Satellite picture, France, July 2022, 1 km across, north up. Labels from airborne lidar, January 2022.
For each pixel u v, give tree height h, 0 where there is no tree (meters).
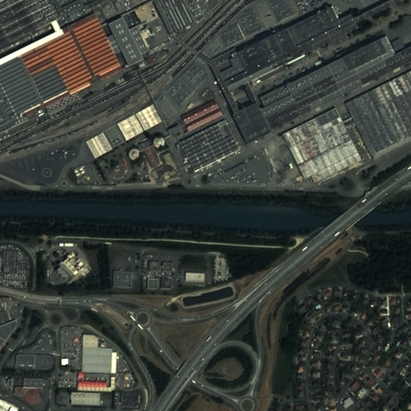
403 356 0
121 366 0
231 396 0
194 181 0
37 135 0
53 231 16
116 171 0
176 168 0
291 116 0
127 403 0
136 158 10
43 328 0
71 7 0
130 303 0
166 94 0
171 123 0
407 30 0
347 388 0
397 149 0
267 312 0
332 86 0
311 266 0
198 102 0
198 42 0
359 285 13
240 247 0
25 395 0
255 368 0
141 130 0
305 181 0
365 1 0
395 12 0
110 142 0
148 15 0
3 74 0
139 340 0
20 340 0
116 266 0
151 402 0
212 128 0
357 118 0
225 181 0
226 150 0
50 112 0
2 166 0
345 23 0
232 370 0
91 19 0
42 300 0
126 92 0
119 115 0
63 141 0
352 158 0
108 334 15
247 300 0
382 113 0
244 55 0
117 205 0
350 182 0
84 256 0
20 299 0
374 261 22
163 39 0
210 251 0
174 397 0
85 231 19
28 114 0
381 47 0
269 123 0
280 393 0
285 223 0
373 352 7
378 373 0
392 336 0
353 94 0
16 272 0
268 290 0
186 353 0
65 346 0
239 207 0
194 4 0
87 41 0
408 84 0
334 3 0
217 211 0
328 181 0
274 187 0
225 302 0
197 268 0
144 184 0
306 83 0
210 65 0
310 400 0
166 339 0
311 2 0
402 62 0
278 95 0
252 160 0
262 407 0
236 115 0
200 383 0
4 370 9
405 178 0
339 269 0
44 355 0
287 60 0
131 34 0
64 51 0
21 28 0
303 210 0
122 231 14
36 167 0
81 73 0
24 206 0
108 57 0
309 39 0
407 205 8
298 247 0
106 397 0
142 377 0
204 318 0
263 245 0
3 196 9
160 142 0
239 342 0
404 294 0
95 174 0
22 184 0
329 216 0
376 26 0
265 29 0
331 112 0
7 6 0
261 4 0
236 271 16
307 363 0
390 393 0
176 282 0
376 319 0
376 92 0
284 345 18
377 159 0
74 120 0
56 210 0
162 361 0
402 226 9
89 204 0
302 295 0
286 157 0
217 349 0
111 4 0
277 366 0
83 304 0
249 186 0
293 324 6
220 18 0
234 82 0
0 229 11
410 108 0
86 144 0
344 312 0
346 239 0
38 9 0
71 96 0
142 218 0
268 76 0
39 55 0
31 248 0
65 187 0
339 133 0
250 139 0
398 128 0
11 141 0
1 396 0
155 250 0
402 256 25
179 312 0
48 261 0
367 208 0
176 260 0
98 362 0
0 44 0
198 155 0
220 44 0
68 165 0
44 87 0
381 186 0
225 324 0
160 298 0
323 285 0
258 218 0
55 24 0
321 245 0
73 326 0
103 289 5
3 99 0
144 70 0
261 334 0
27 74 0
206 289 0
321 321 0
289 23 0
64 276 0
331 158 0
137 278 0
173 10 0
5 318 0
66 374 0
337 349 0
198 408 0
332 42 0
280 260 0
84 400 0
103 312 0
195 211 0
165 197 13
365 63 0
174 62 0
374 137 0
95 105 0
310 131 0
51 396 0
